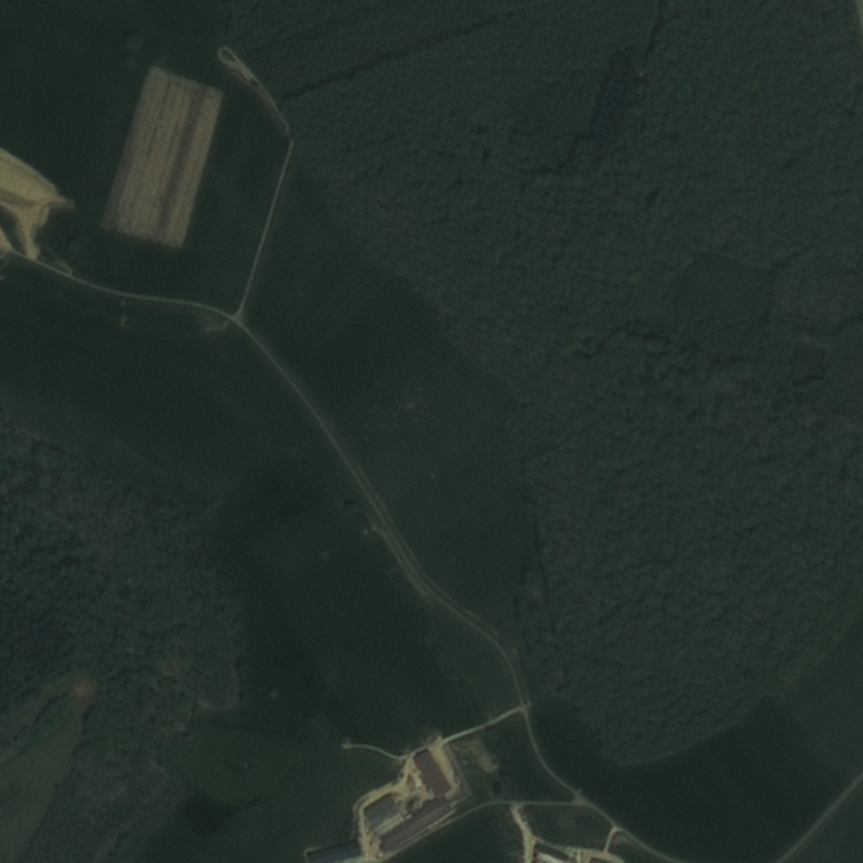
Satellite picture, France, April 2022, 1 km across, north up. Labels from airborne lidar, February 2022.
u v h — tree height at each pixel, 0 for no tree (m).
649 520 28
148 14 0
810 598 30
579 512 29
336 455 0
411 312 0
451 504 0
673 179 28
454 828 0
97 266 0
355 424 0
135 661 22
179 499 0
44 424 0
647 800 0
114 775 33
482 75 24
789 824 0
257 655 0
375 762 0
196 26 0
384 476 0
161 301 0
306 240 0
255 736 0
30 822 0
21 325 0
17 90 0
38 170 0
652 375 11
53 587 25
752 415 30
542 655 22
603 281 27
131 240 0
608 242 29
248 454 0
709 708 20
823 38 29
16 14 0
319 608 0
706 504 27
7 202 0
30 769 0
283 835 0
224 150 0
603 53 14
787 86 27
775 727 0
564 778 0
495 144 28
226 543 0
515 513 0
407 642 0
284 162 0
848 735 0
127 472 0
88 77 0
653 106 23
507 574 0
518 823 0
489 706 0
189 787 19
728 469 24
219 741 0
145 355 0
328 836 0
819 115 25
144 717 17
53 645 21
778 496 27
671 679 25
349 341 0
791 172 24
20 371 0
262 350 0
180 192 0
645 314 29
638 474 28
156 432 0
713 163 26
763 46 28
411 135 21
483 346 26
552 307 26
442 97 25
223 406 0
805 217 28
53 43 0
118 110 0
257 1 16
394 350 0
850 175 26
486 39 17
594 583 31
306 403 0
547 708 0
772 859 0
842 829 0
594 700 26
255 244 0
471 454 0
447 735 0
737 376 28
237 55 12
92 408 0
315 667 0
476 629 0
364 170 26
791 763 0
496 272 26
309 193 0
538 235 28
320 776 0
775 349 15
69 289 0
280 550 0
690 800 0
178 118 0
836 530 27
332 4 13
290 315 0
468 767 0
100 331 0
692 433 29
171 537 28
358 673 0
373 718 0
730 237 29
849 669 0
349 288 0
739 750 0
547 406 28
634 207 31
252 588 0
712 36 22
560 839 0
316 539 0
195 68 0
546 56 17
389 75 22
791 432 26
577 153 20
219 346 0
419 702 0
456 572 0
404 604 0
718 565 25
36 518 37
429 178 29
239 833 0
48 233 0
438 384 0
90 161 0
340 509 0
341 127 23
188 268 0
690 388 29
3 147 0
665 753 27
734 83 28
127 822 25
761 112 26
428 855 0
